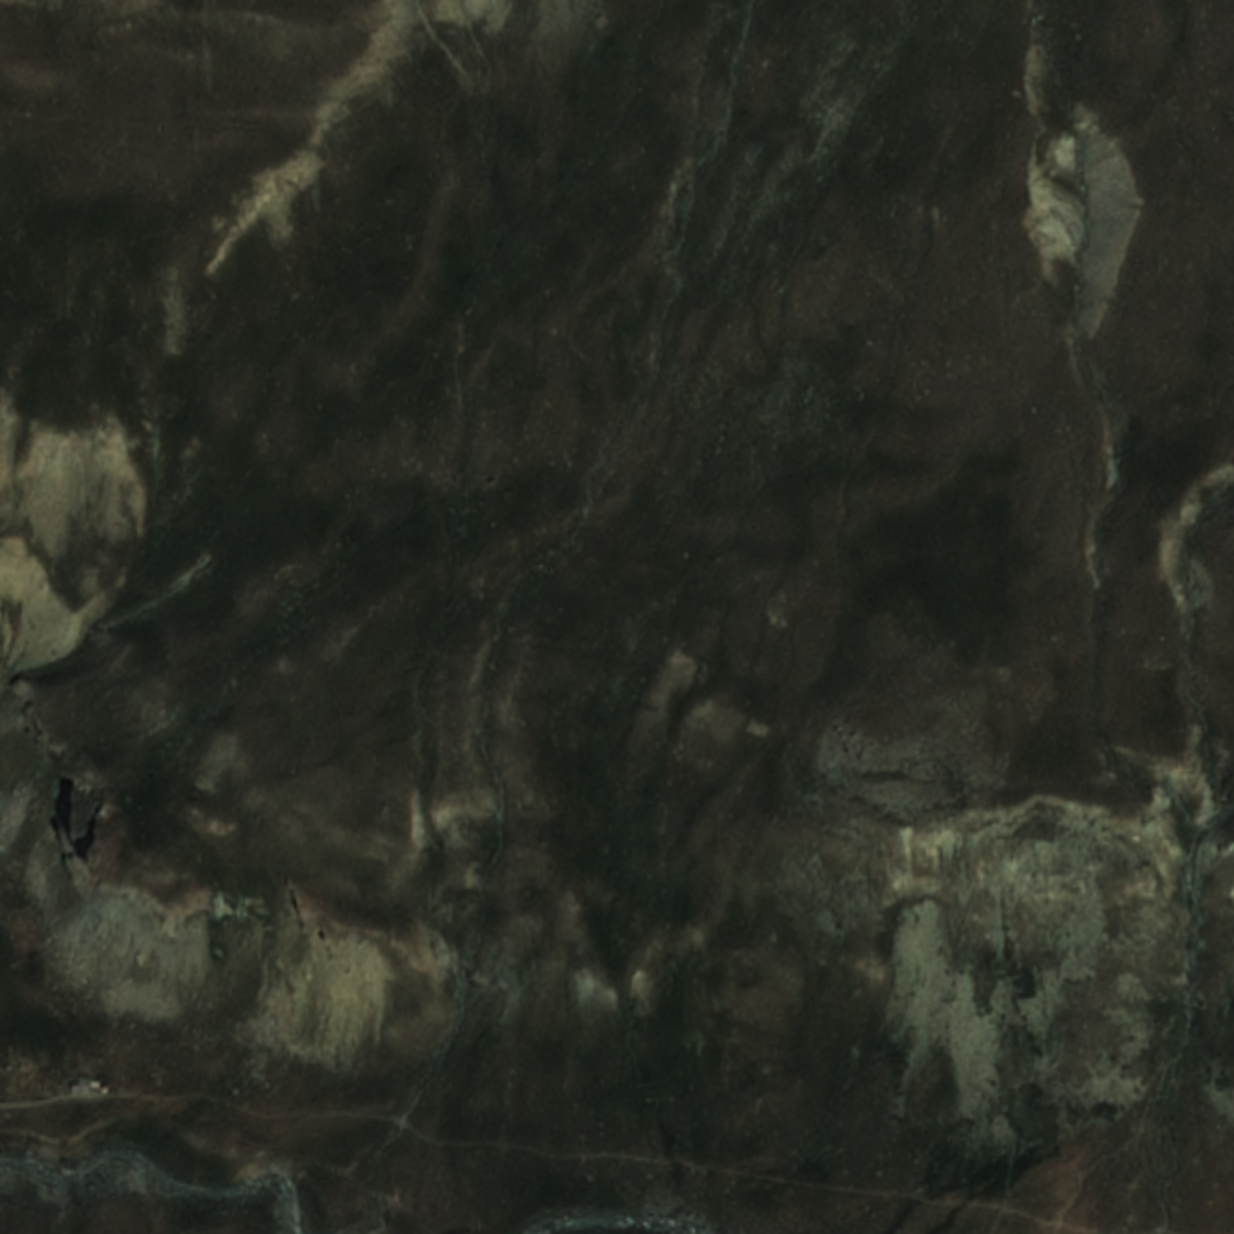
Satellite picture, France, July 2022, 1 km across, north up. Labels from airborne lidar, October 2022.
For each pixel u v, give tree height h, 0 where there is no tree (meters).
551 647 0
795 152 0
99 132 0
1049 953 0
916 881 0
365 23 0
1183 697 0
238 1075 0
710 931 0
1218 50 0
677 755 0
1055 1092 0
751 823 0
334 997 0
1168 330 0
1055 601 0
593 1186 0
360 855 0
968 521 0
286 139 0
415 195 0
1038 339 0
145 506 0
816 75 0
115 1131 0
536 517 0
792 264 0
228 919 0
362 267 0
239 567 0
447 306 0
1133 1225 0
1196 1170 0
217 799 0
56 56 0
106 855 0
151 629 0
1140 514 0
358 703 0
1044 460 0
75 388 0
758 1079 0
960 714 0
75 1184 0
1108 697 0
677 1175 0
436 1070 0
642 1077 0
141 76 0
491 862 0
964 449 0
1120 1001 0
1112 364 0
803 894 0
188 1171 0
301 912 12
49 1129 0
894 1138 0
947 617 0
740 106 0
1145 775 0
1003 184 0
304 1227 0
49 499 0
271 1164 0
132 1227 0
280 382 0
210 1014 0
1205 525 0
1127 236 0
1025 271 0
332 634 0
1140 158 0
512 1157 0
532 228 0
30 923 0
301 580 0
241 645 0
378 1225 0
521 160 0
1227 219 0
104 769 0
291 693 0
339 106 0
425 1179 0
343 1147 0
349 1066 0
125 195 0
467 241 0
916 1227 0
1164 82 0
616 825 0
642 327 0
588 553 0
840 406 0
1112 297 0
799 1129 0
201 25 0
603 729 0
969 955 0
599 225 0
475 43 0
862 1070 0
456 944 0
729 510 0
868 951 0
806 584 0
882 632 0
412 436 0
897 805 0
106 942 0
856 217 0
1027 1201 0
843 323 0
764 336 0
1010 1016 0
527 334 0
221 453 0
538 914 0
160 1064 0
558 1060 0
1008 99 0
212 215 0
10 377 0
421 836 0
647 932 0
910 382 0
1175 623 0
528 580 0
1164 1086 0
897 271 0
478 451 0
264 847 0
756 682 0
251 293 0
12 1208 0
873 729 0
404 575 0
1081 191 0
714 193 0
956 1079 0
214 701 0
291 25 0
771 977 0
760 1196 0
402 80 0
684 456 0
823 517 0
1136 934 0
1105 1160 0
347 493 0
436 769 0
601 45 0
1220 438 0
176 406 0
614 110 0
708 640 0
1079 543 0
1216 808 0
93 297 0
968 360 0
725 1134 0
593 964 0
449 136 0
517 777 0
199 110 0
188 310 0
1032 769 0
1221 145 0
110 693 0
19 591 0
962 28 0
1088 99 0
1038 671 0
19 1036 0
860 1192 0
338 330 0
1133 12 0
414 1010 0
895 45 0
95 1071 0
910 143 0
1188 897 0
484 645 0
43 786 0
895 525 0
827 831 0
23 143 0
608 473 0
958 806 0
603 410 0
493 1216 0
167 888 0
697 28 0
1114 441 0
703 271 0
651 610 0
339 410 0
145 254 0
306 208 0
